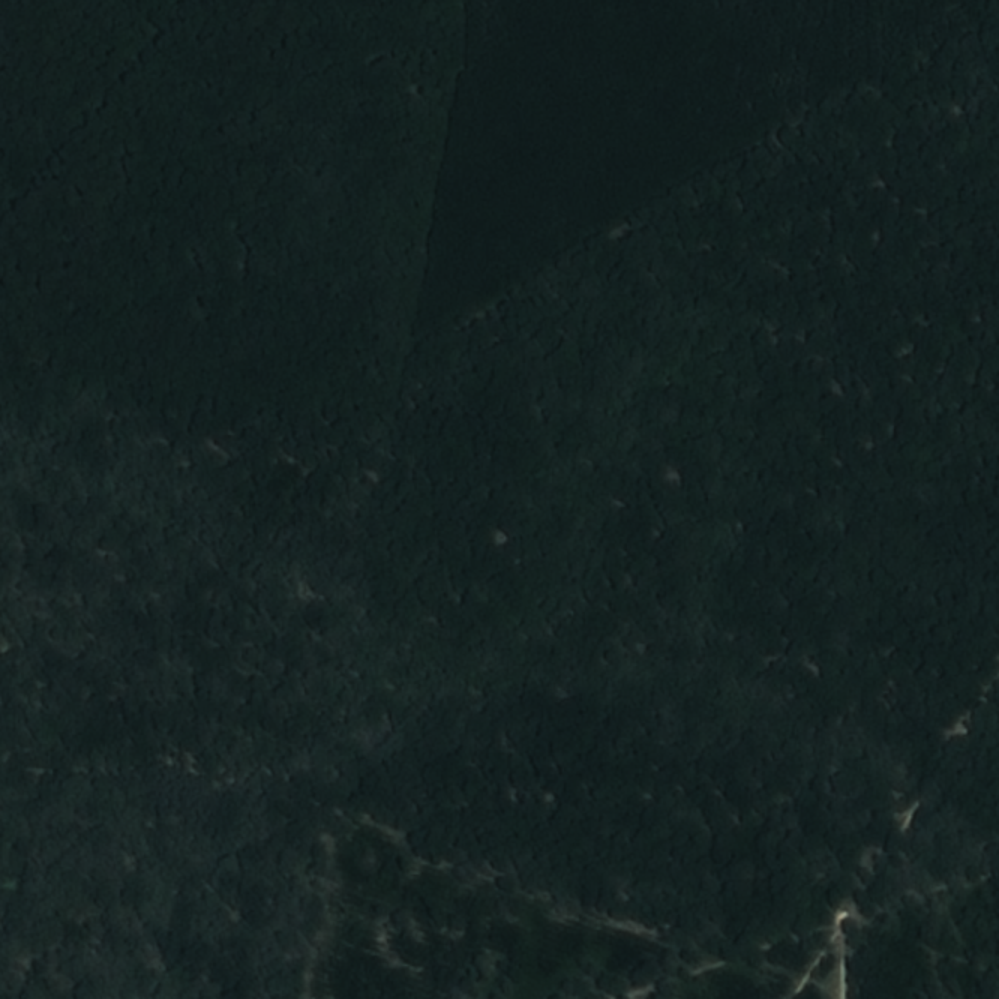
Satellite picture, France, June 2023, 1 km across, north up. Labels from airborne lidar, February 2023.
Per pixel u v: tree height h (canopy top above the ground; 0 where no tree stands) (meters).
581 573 25
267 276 31
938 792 24
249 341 29
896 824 17
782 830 16
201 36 29
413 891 9
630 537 21
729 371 26
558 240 20
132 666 22
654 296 25
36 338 30
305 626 20
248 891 28
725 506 22
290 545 10
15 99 27
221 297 26
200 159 30
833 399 8
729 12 18
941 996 24
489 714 25
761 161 25
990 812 21
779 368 26
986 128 27
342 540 20
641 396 22
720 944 25
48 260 33
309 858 26
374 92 30
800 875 25
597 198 18
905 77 24
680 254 18
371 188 26
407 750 26
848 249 23
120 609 14
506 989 25
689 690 21
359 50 27
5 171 32
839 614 27
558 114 18
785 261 26
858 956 10
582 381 23
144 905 26
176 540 23
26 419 26
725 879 24
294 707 25
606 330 24
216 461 26
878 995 12
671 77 15
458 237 16
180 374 30
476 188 18
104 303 32
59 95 29
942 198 23
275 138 27
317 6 29
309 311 30
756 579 24
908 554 23
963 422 24
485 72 18
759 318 17
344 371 29
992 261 26
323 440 24
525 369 27
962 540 30
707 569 18
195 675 24
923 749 21
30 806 13
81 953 23
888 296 27
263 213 31
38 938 20
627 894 25
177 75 30
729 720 23
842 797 26
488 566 22
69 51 28
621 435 16
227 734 24
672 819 21
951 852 26
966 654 22
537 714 24
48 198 33
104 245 30
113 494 26
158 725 26
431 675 18
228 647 27
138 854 29
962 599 22
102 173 33
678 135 16
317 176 31
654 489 29
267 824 24
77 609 27
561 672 19
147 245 28
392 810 26
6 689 21
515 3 16
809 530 25
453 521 25
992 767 16
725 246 22
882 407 23
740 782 28
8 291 32
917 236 27
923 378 24
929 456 20
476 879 27
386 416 25
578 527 22
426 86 26
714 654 22
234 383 29
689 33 17
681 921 27
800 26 18
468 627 24
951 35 18
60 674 26
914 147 27
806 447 25
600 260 25
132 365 29
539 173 18
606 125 17
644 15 16
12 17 33
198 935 19
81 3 30
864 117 29
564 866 26
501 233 17
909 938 7
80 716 29
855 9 18
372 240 30
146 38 27
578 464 23
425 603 24
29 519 23
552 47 15
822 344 27
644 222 25
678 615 16
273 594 24
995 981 24
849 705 20
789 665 21
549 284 26
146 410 27
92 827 22
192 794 16
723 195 17
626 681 19
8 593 24
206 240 30
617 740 25
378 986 10
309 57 28
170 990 22
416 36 26
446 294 19
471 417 23
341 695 24
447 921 25
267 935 27
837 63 17
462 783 28
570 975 0
